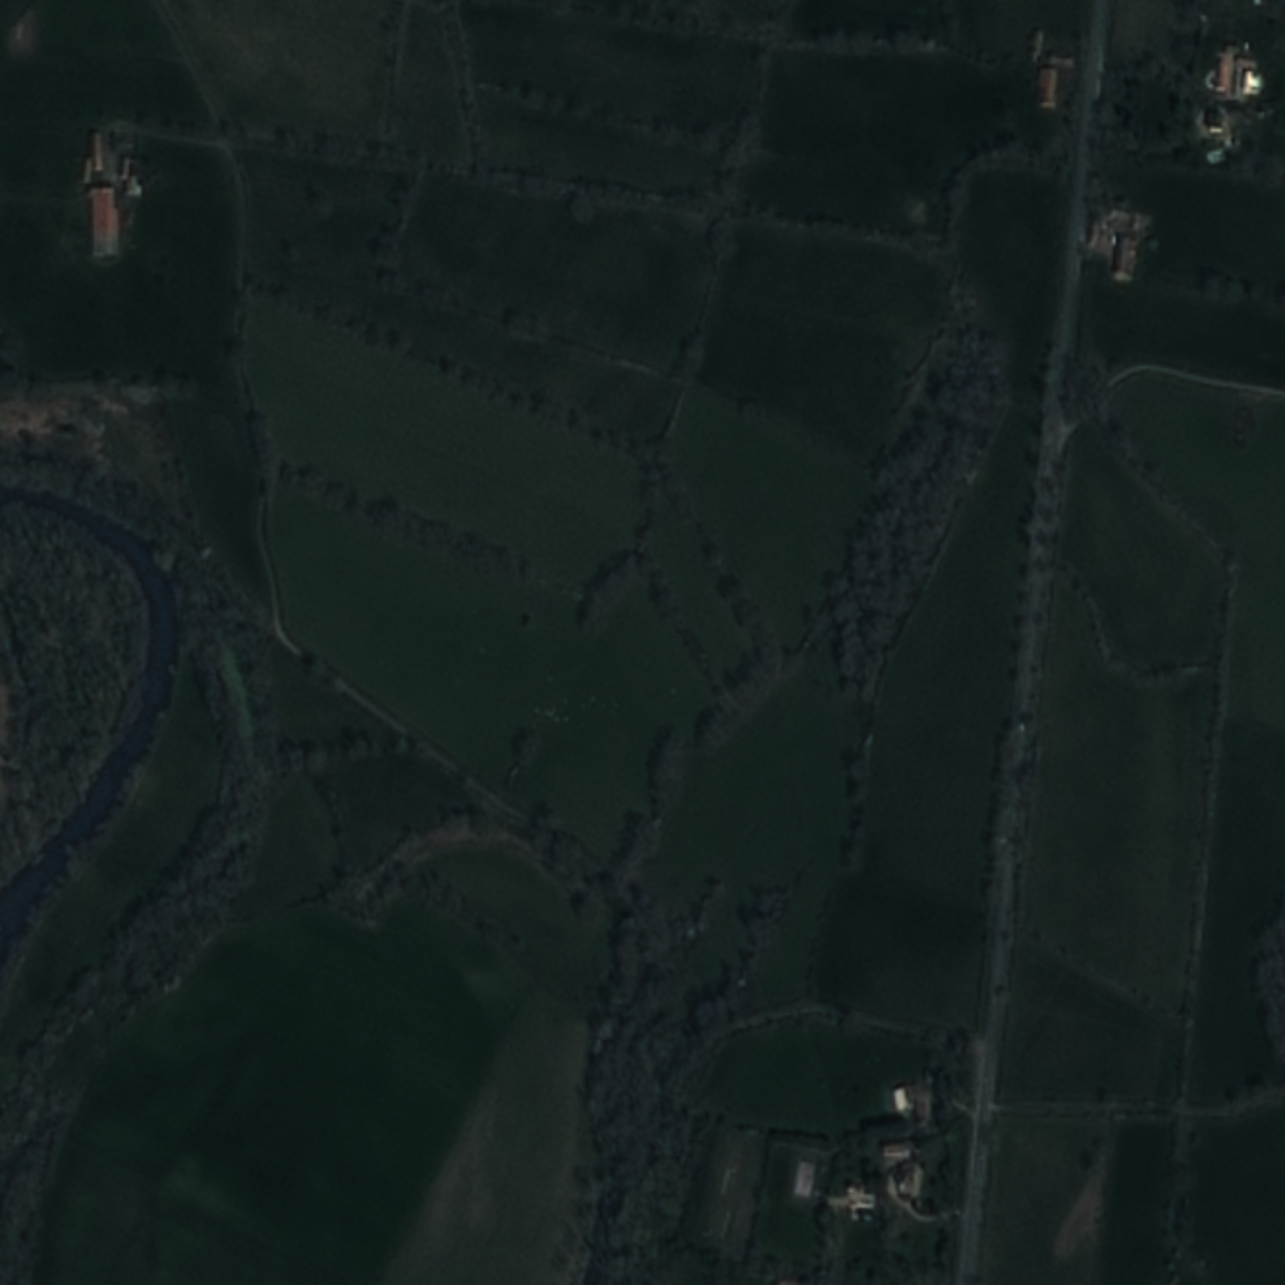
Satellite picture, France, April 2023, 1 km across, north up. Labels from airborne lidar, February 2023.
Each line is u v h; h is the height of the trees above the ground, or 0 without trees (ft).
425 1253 0
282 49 0
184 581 54
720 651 0
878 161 0
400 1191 0
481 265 0
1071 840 0
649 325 0
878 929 0
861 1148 18
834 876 0
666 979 53
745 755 0
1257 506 0
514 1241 0
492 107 0
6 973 51
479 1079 0
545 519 0
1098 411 44
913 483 72
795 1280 23
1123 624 0
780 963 0
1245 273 0
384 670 0
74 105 0
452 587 0
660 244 0
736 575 0
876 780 0
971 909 0
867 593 50
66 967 0
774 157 0
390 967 0
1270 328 0
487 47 0
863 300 0
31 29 0
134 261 0
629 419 0
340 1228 0
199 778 0
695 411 0
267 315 0
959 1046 38
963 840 0
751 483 0
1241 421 0
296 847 0
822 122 0
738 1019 21
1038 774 44
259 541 0
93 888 0
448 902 52
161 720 42
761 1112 0
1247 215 0
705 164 0
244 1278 0
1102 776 0
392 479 0
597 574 0
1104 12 0
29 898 0
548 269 0
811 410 0
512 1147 0
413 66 0
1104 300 0
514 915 0
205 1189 0
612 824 0
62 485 66
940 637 0
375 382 0
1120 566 0
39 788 57
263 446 54
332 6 0
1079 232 0
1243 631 0
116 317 0
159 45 0
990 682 0
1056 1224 0
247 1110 0
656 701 0
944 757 0
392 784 0
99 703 74
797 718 0
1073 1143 0
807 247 0
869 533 49
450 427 0
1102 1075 0
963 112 0
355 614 0
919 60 0
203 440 0
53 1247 0
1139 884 0
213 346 0
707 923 42
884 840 0
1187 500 0
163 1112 0
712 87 0
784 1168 0
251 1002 0
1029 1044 0
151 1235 0
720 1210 0
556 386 0
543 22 0
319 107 0
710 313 0
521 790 0
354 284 0
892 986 0
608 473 0
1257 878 0
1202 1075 0
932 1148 65
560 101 33
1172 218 0
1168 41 0
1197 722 0
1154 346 0
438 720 0
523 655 0
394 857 27
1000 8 0
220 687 58
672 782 64
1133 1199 0
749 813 0
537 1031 0
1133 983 0
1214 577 0
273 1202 0
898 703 0
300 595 0
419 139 0
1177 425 0
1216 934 0
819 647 0
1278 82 0
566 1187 0
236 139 55
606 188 24
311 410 0
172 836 0
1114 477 0
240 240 0
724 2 0
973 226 0
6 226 0
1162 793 0
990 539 0
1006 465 0
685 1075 70
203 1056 0
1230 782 0
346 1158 0
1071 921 0
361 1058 0
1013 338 0
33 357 0
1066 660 0
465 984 0
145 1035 0
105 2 0
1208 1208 0
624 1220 70
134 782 81
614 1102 77
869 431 0
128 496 44
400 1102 0
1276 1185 0
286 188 0
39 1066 45
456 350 0
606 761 0
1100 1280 0
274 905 0
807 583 0
